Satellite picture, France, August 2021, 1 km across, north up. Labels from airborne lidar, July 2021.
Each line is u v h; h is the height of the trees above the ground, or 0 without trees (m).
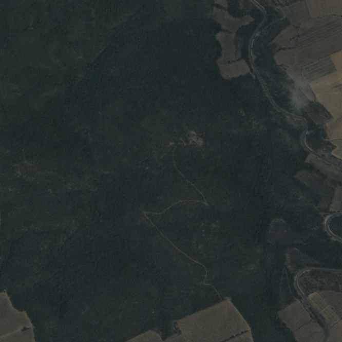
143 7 7
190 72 6
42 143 6
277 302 6
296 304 0
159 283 7
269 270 6
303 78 0
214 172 7
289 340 6
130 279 6
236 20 0
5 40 7
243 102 13
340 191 0
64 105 6
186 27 6
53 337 7
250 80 5
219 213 6
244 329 0
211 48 7
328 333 0
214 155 6
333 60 0
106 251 7
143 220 0
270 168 6
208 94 6
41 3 5
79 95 7
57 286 9
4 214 7
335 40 0
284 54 0
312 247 6
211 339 0
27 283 5
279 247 7
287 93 5
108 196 6
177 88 7
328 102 0
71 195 6
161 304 6
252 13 11
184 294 6
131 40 6
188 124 6
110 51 7
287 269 5
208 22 6
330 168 0
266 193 7
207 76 7
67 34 9
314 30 0
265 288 8
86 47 6
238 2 7
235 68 0
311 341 0
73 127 6
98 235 7
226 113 6
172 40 6
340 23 0
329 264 8
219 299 7
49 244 7
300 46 0
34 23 6
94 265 7
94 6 6
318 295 0
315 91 0
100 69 6
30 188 6
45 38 7
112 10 9
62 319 6
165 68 6
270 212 7
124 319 6
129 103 6
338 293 0
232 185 7
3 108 6
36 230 6
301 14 0
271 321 7
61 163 7
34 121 7
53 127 7
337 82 0
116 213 6
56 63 0
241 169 7
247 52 7
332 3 0
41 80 6
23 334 0
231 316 0
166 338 6
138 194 6
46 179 6
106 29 7
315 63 0
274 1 6
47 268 8
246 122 7
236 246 6
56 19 6
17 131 7
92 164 7
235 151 8
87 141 10
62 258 7
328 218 0
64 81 7
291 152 8
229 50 0
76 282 6
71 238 7
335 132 0
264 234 7
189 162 5
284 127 8
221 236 7
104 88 6
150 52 8
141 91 6
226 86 7
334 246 7
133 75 6
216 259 5
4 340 0
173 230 6
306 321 0
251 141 9
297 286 0
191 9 6
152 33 6
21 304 7
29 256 7
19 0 0
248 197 8
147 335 0
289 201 6
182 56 6
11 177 6
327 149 0
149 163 6
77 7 8
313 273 7
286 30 0
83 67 6
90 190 8
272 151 6
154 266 8
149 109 6
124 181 8
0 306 0
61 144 7
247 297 6
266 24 6
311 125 7
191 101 6
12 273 6
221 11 0
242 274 6
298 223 9
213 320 0
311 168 11
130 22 6
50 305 7
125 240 8
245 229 7
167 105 6
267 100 6
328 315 0
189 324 0
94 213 8
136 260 8
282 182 6
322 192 0
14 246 10
